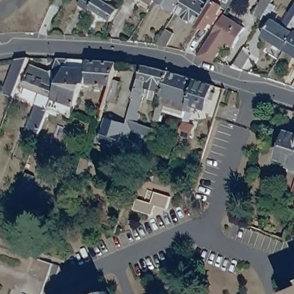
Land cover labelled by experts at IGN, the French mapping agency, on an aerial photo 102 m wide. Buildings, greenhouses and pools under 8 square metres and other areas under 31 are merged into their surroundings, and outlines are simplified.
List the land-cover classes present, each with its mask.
<instances>
[{"label":"impervious surface","instance_id":"1","mask_svg":"<svg viewBox=\"0 0 294 294\"><path fill-rule=\"evenodd\" d=\"M26 0H0V20L13 13L16 8H20ZM62 0H54L45 20L41 23L39 34L18 33L0 36V62L24 57L11 93V96H18V99L28 102L29 105L32 106L44 108L45 113L40 121L44 124L48 116L63 115L69 117L71 109L49 100L45 95L17 88L29 57H65L113 62L115 70L118 71L113 79L122 82V92L117 103H108L110 111H103L102 116L119 123L124 122L130 108L131 98L127 96V92L133 88L139 65L144 64L216 86L211 100H203L202 109L191 113L193 125L188 138H194L199 119L209 118L214 113L219 88L231 92L227 106L219 107L216 117L218 127L210 153L206 157L208 167L204 170L202 178L200 183H195L193 193L200 206L208 207L203 216L188 220L191 215L183 214V209L177 207L176 210L157 215L153 226L145 223L140 225L138 230L132 229L129 233L121 234L118 238H106L105 234H101L102 240L98 247L73 252L69 260L62 262L60 266V272L49 277L44 294H67L65 292L68 291V287L80 281L84 283L92 271L98 277L114 273L118 279L117 294H134L126 276L127 266H130L132 274L146 272L148 269L155 273L171 262L172 257L176 255L173 253V247L184 241L193 246V258L199 261L203 258L204 263L214 265L222 271H234V268L248 269L252 266L261 280L263 294H277L280 289L291 286V280L294 279V240L288 242L286 245L273 243L265 240V235L261 233L250 234L242 229H235L237 225L231 223L227 217L225 202L229 200V194L225 189L226 179L230 177L231 171H238L241 156L242 147L248 145L250 125L254 121L250 117V111L260 102H269L271 105L273 102L280 103L283 105L281 108L284 109V114L291 118L294 117V59L292 57L288 62V75L285 76L284 82H280L253 72V65L258 62V48L260 28L269 20L285 26L279 17L283 16L285 10H291L294 3V0H274L272 13L263 16L261 21H255L253 10L262 0H232L230 14L225 16L239 24L241 30L232 42L229 55L217 63L201 60L200 55L195 53L196 46L206 36V30L199 25L193 28V24H186V20L180 18V15L172 14V9L163 7L160 3L156 5L145 17L144 25L139 29L137 40H119V33L123 31L126 21L133 9L141 7L144 10L147 8V2L152 0H124L122 13H116L110 22L113 26L109 39L91 38L88 33L84 37H72L71 30L76 28L79 11L82 10V7L78 6L75 14L70 15L71 21L67 24V29L63 31L60 28L64 15ZM165 28L171 32L167 44H155ZM242 51L246 53L247 60L240 67L242 71H235L231 69V65L237 61Z\"/></svg>","mask_w":294,"mask_h":294},{"label":"deciduous trees","instance_id":"2","mask_svg":"<svg viewBox=\"0 0 294 294\"><path fill-rule=\"evenodd\" d=\"M93 16L82 10L79 11L76 28L71 30L72 37H84L88 33L91 38L109 39L113 26L110 22H96L95 28L92 29ZM139 29L126 21L123 31L119 33V40H137ZM29 105L28 102L18 99V96H11L6 99V106L3 108L10 116L15 117L18 109H25ZM100 106L92 101L90 106L85 105L84 110L75 108L71 109L69 117L63 115L62 119L67 125L63 129V138L60 141L67 152L49 167L47 164L44 167H38L36 164L40 179L47 183L59 179V183H62L59 195L53 201L54 207L48 212V218L34 217L24 211L14 222L7 223L3 220V208L0 204V248L20 254L24 258L32 257L34 260L60 266L62 262L69 260L73 252L98 247L102 240L101 234H105L106 238H118L121 234L122 225L117 222L119 211H132L133 201L137 200L138 189L149 181L150 177L156 176L160 184L171 186L175 195L170 203L177 207L183 209V214L191 215L188 220L203 216L208 207L200 206L193 193L195 183H200L202 178L199 177L201 153L206 139L198 140V147L193 149L188 139L177 140L179 126L168 119L163 125L160 122H149V133L141 140L137 145L125 146L119 150V154L111 156L108 161L100 162L99 168L95 169V175H91L90 170L86 169L80 173L76 172L79 160H90L96 138V127L100 123ZM88 179L93 181L96 188L105 191L101 198L108 204V212L103 211L102 206L91 209L80 204L94 195L91 186L88 185ZM283 105L280 103L273 102L271 105L269 102H260L250 111V117L254 121L264 119L273 125H281L291 118L284 114V109L281 108ZM272 129H266L264 125H250L248 145L242 147L241 156L245 155L248 158L241 177L250 186L260 177L262 165L258 164V155L268 154L272 147ZM227 217L231 223L237 225L235 229H242L248 226V223L253 222L255 207L258 211L271 212L281 225L280 232L288 242L294 240V192L288 185L286 176L277 175L260 179V185L256 192L252 193V200H238L233 193L229 194V200L225 202ZM193 246L184 241L173 247V253L176 255L172 257L171 262L155 273L169 294H210L208 271L204 268V263L203 258L199 261L193 258Z\"/></svg>","mask_w":294,"mask_h":294},{"label":"building","instance_id":"3","mask_svg":"<svg viewBox=\"0 0 294 294\"><path fill-rule=\"evenodd\" d=\"M124 0H77L78 6L82 7V10L93 16L92 29L95 28L96 22H110L116 13H122ZM156 5L160 3L163 7L172 9V14L180 15V18L186 20V24H193V28L199 25L206 30V36L196 46L195 53L200 55L201 60L217 63L229 55L232 42L241 30L239 24L225 16L230 14L232 0H153ZM274 0H262L253 10L255 21H261L263 16L272 13ZM285 26L269 20L260 28L258 48H264L265 42H269L292 57L294 59V3L291 10H285L283 16L279 17ZM171 32L165 28L155 44H167ZM247 60L246 53L242 51L237 61L231 65V69L235 71H242L240 67ZM24 57L0 62V92L11 93ZM118 71L115 70L113 62L65 57H29L17 88L45 95L49 100L71 109L75 108L79 92L82 90L79 83L98 84L100 90L102 86H106L100 106V123L96 127V138L118 141L123 134L134 132L139 134L141 140L149 133V122H160L163 125L168 119L179 126L177 140L188 139V138L193 125L191 113L202 109L203 100H211L216 86L144 64L139 65L133 88L127 92V96L131 98L130 108L124 122L119 123L102 116L103 111H110L108 103H117L122 92V82L113 79ZM45 113L44 108L32 106L26 114L24 129L39 133L44 124L40 121ZM271 162L279 163L286 173H293L291 184L288 185L294 192V133L280 130L276 145L272 146V147ZM92 164L90 160H79L76 172L80 173L86 169ZM149 202L137 200L133 201L132 211L148 216L153 206L162 208L167 202V195L152 191L145 192L144 195ZM60 272V266L34 260L32 257L24 258L20 254L0 248V294H44L49 277ZM277 294H294V279L291 280V286L280 289Z\"/></svg>","mask_w":294,"mask_h":294},{"label":"herbaceous vegetation","instance_id":"4","mask_svg":"<svg viewBox=\"0 0 294 294\"><path fill-rule=\"evenodd\" d=\"M54 0H26L20 8H16L13 13L0 20V36L18 33L39 34L41 23L45 20ZM64 15L60 28L63 31L67 29V24L71 21L70 15L75 14L78 6L77 0H62ZM156 5L153 0H152L147 2V8L144 10L141 7L133 9L126 21L139 29L144 25L145 17ZM292 57L269 42H265L264 48H258V62L253 65V72L280 82H284L285 76L288 75V62ZM82 90L79 92L75 108L84 110L85 105L90 106L92 101L100 106L106 86H102L100 90L98 84L79 83ZM231 92L219 88L214 113L209 118L199 119L194 138H188V139L193 149L198 147V140L206 139L201 153L199 177L202 178L204 170L208 167L206 157L210 153L218 127L216 117L219 107L227 106ZM11 96V93L0 92V204L3 208V220L7 223L14 222L24 211L34 217L48 218V212L54 207L53 201L59 195L62 183H59V179L47 183L40 179L36 164L38 167H44L47 164L49 167L67 152L60 141L63 138V129L67 125L62 119L63 115L48 116L44 124L39 133L24 129L26 114L32 106L29 105L25 109H18L15 117L10 116L3 108L6 106V99ZM250 125H264L266 129H272V146L276 145L280 130L294 133V117L291 118L281 125H273L264 119L254 121ZM141 140L139 134L134 132L123 134L118 141L96 138L90 160L92 164L86 169L90 170L91 175H95V169L99 168L100 162L108 161L111 156L119 154V150L125 146L137 145ZM272 147L268 154L258 155V164L262 165L260 177L250 186L241 177L248 158L245 155L241 156L238 171H231L230 177L226 179L225 189L229 194L233 193L238 200H252V193L256 192L260 185V179L277 175L286 176L288 185L291 184L293 173H286L279 163L271 162ZM152 191L167 195V202L162 208L153 206L148 216L132 211H119L117 222L122 225L121 234L129 233L132 229L138 230L140 225L145 223L153 226L157 215L176 210L177 207L170 203L175 195L171 186L160 184L156 176L150 177L149 181L138 189L137 200L149 202L144 195L145 192ZM88 185L91 186L94 195L80 204L91 209L102 206L103 211L108 212V204L101 198L105 191L96 188L93 181L88 179ZM253 222L248 223V226L280 232L281 225L271 212L258 211L255 207ZM204 268L208 271L210 294H263L261 280L252 266L248 269L234 268V271H222L214 265L204 263ZM126 276L134 294H169L155 273L148 269L146 272L132 274L130 266H127ZM118 279L114 273L98 277L92 271L84 283L80 281L68 287V291L65 292L67 294H117Z\"/></svg>","mask_w":294,"mask_h":294},{"label":"brushwood","instance_id":"5","mask_svg":"<svg viewBox=\"0 0 294 294\"><path fill-rule=\"evenodd\" d=\"M250 234L261 233L265 235V240L273 243L286 245L288 242L280 232L248 226L242 229Z\"/></svg>","mask_w":294,"mask_h":294}]
</instances>
